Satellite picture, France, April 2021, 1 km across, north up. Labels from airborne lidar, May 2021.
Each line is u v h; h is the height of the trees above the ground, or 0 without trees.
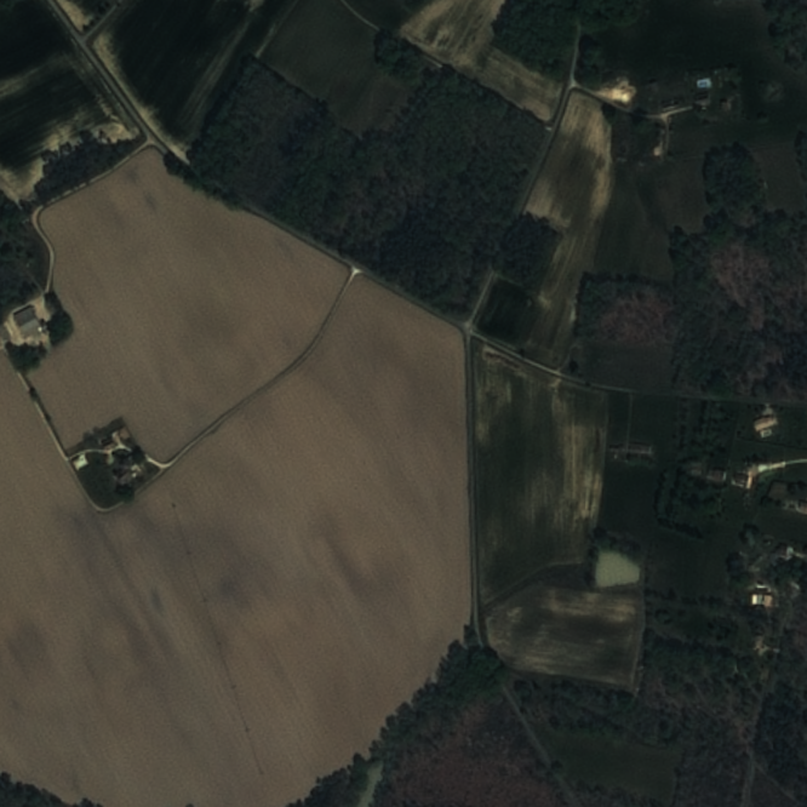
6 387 0
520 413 0
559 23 23
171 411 0
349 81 0
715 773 9
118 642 0
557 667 0
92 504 0
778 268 13
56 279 0
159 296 0
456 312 16
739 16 0
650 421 0
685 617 9
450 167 22
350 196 18
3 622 0
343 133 8
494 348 0
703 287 13
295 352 0
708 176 14
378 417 0
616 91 0
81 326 0
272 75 14
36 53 0
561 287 0
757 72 0
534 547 0
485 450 0
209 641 0
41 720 0
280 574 0
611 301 19
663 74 0
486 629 0
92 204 0
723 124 0
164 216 0
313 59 0
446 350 0
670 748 16
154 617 0
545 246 20
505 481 0
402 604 0
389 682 0
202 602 0
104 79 0
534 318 0
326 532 0
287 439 0
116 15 0
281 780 0
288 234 0
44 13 0
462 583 0
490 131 22
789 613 12
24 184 0
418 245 23
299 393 0
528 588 0
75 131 0
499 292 0
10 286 13
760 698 11
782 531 0
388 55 19
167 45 0
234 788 0
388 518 0
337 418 0
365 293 0
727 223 24
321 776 0
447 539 0
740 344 6
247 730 0
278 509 0
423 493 0
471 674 21
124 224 0
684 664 20
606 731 19
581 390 0
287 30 0
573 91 0
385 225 10
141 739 0
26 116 0
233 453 0
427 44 0
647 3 0
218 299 0
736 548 0
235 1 0
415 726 18
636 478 0
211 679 0
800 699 9
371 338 0
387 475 0
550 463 0
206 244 0
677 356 9
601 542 18
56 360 0
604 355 0
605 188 0
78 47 0
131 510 0
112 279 0
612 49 0
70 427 0
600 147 0
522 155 19
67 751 0
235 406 0
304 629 0
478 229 18
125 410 0
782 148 0
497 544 0
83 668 0
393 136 14
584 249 0
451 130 21
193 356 0
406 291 13
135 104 0
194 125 0
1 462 0
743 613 14
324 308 0
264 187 7
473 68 0
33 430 0
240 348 0
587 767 0
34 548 0
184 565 0
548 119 0
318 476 0
